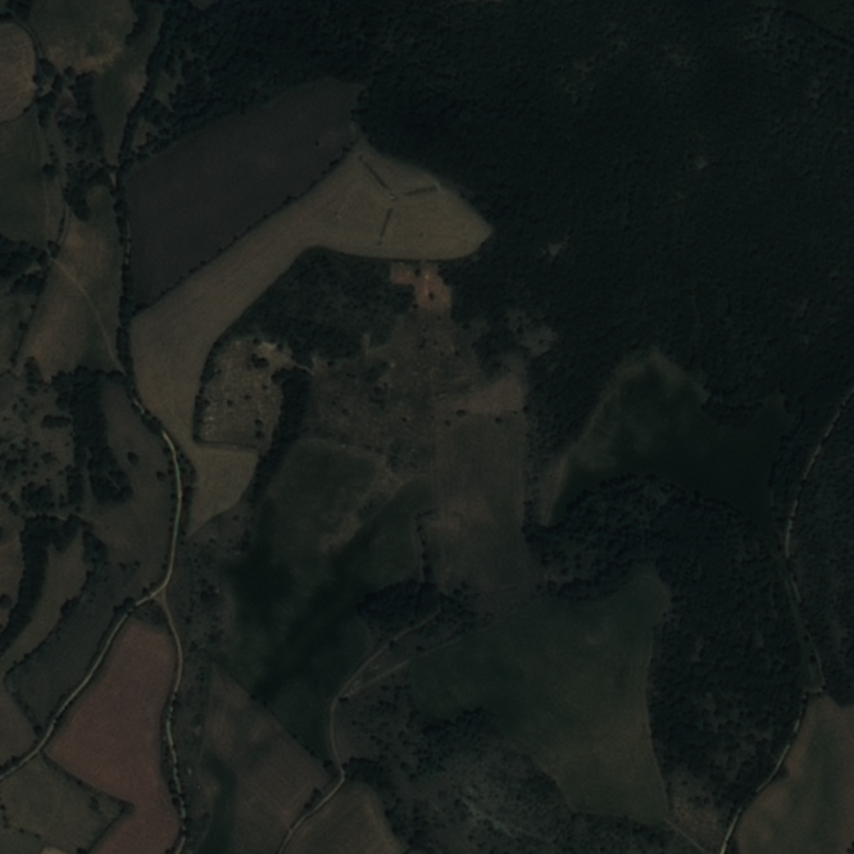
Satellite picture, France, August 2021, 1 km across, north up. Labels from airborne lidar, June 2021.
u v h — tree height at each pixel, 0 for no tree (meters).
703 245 12
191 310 0
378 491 0
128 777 0
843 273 8
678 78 8
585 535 7
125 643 0
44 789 0
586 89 9
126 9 0
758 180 8
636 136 12
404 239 0
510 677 0
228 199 0
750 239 11
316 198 0
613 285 12
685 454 0
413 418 0
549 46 10
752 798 7
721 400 15
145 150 8
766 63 10
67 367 0
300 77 11
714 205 13
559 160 16
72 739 0
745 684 12
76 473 9
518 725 0
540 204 12
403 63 7
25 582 8
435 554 0
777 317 11
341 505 0
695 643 10
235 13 14
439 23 8
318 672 0
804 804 0
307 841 0
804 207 11
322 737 0
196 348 0
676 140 12
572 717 0
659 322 11
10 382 0
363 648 0
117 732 0
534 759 0
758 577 10
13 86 0
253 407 0
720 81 14
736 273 11
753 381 12
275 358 0
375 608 17
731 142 8
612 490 8
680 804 0
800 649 8
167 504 0
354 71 11
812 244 12
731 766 6
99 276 0
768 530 0
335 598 0
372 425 0
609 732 0
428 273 0
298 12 13
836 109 9
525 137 19
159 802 0
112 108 0
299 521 0
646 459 0
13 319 0
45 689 0
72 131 7
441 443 0
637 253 12
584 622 0
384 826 0
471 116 18
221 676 0
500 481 0
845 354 9
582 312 14
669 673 13
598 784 0
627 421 0
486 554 0
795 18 12
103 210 0
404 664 0
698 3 16
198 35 10
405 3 11
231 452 0
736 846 7
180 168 0
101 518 0
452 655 0
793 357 10
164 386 0
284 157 0
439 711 0
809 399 11
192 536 0
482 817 0
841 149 9
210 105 11
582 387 13
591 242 14
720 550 12
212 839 0
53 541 8
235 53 12
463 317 8
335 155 0
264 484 14
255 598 0
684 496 7
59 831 0
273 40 16
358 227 0
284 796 0
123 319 10
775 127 7
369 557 0
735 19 8
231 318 0
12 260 8
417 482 0
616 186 12
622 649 0
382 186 0
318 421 0
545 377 11
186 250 0
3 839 0
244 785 0
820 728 0
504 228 11
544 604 0
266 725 0
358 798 0
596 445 0
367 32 10
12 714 0
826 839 0
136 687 0
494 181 10
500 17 8
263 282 0
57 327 0
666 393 0
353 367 0
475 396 0
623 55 8
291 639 0
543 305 10
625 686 0
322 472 0
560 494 0
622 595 0
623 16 6
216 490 0
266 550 0
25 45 0
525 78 9
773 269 14
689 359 14
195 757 0
